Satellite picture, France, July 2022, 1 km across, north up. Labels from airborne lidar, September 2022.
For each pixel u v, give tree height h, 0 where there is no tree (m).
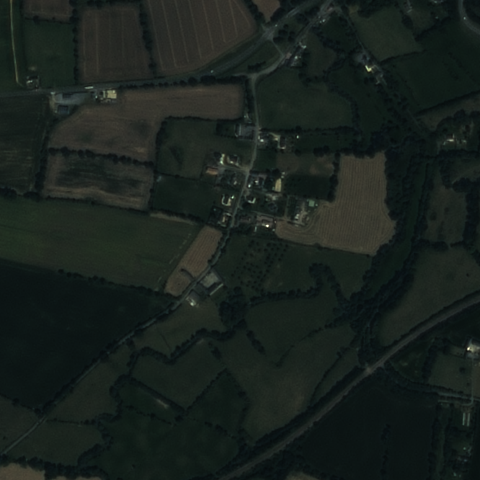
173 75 0
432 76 0
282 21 0
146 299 0
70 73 0
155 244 0
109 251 0
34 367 0
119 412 9
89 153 12
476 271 0
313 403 6
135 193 0
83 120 0
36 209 0
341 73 0
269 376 0
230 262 0
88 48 0
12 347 0
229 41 0
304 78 11
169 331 0
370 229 0
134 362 7
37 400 0
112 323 0
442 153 13
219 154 8
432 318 8
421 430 0
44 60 0
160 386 0
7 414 0
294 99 0
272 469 18
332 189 12
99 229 0
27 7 0
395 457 0
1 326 0
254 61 0
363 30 0
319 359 0
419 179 0
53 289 0
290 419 0
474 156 10
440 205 0
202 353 0
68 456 0
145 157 0
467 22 0
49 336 0
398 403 0
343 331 0
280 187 0
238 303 15
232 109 0
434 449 12
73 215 0
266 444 13
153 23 0
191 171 0
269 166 0
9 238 0
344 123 0
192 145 0
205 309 0
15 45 0
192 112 0
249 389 0
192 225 0
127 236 0
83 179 0
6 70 0
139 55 0
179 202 0
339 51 15
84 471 12
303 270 0
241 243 0
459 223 0
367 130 0
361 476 0
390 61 10
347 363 0
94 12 0
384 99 7
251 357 0
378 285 0
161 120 0
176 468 0
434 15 9
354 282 0
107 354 12
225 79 8
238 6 0
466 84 0
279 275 0
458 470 18
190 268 0
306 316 0
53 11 0
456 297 0
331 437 0
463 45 0
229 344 0
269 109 0
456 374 0
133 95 0
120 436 0
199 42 0
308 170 0
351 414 0
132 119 0
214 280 0
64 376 0
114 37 0
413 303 0
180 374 0
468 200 16
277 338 0
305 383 0
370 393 0
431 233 0
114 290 0
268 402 0
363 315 14
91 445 0
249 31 0
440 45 0
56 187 0
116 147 0
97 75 0
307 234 0
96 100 0
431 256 0
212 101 0
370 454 0
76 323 0
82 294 0
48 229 0
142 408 0
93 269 0
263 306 0
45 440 0
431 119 0
